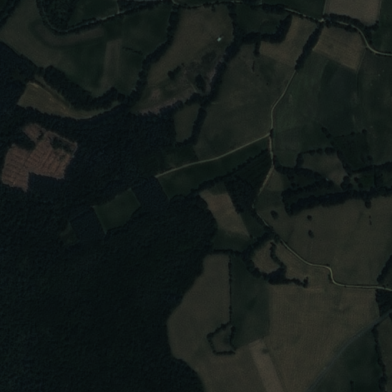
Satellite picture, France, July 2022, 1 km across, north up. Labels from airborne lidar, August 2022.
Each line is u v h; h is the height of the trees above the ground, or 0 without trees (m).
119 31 0
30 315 18
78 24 8
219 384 0
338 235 0
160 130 26
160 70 0
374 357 0
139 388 14
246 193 8
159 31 0
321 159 0
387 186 0
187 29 0
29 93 0
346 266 0
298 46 0
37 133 0
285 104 0
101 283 16
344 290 0
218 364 0
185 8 9
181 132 0
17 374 11
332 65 0
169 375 15
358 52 0
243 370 0
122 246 16
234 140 0
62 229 17
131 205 0
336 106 0
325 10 0
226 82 0
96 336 20
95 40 0
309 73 0
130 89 0
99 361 21
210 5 9
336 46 0
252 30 0
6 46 24
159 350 20
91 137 25
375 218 0
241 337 0
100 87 0
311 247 0
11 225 17
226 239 0
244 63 0
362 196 16
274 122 0
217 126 0
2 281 7
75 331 17
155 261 12
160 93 0
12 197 21
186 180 0
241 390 0
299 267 0
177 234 17
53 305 21
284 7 11
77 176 25
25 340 14
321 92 0
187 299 0
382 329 0
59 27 11
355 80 0
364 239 0
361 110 0
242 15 0
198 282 0
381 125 0
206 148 0
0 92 27
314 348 0
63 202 21
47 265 18
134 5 11
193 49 0
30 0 0
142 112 0
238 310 0
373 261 0
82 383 11
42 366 16
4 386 11
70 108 0
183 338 0
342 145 0
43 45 0
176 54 0
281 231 0
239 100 0
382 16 0
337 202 20
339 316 0
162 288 9
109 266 15
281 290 0
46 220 8
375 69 0
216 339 0
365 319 0
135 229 9
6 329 17
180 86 0
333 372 0
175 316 0
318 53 0
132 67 0
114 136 29
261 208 0
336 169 0
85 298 15
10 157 0
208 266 0
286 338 0
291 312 0
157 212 22
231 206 0
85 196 17
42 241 20
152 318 16
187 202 19
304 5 0
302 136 0
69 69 0
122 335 17
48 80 23
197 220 13
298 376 0
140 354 15
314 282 0
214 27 0
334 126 0
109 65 0
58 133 17
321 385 0
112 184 24
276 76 0
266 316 0
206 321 0
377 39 0
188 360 0
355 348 0
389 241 0
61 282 17
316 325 0
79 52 0
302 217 0
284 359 0
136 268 13
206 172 0
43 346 15
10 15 17
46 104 0
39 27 0
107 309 17
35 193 13
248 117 0
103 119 28
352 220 0
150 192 25
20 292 8
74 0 15
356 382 0
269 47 0
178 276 15
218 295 0
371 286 0
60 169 0
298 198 0
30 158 0
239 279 0
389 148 0
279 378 0
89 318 17
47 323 22
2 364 13
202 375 0
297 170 21
